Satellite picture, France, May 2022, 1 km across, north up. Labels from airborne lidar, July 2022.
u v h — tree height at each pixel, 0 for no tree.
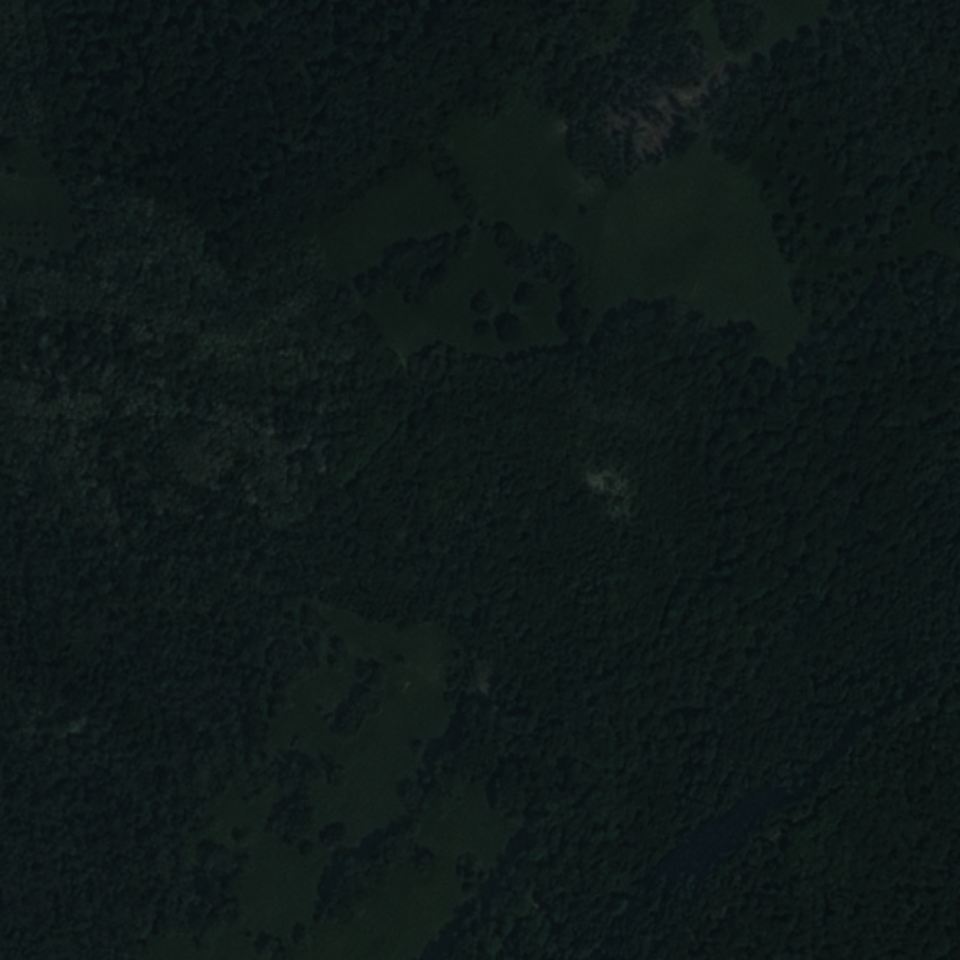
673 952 17
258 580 20
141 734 18
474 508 14
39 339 23
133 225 26
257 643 31
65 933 18
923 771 21
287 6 21
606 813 30
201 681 27
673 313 20
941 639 16
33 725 8
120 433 13
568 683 26
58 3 21
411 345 0
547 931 28
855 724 19
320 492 15
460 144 0
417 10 24
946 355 30
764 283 0
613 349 26
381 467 19
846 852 16
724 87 23
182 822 21
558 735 26
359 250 0
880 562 29
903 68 6
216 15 23
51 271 20
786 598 32
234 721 33
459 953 28
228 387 19
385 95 18
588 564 9
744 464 30
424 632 0
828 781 15
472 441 18
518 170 0
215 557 19
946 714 15
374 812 0
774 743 31
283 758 0
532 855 29
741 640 29
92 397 22
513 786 29
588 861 28
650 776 24
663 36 23
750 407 15
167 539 19
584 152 21
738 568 28
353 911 17
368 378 10
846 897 20
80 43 22
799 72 14
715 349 26
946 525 23
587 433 13
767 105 17
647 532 13
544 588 19
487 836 0
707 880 9
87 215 20
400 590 19
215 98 26
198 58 23
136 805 26
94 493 24
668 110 0
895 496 27
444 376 16
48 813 28
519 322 14
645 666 16
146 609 16
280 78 20
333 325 18
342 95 24
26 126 24
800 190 11
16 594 20
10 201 0
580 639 22
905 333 31
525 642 23
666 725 27
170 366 19
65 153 22
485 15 20
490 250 0
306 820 21
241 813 0
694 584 13
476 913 15
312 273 24
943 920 17
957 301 31
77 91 20
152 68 25
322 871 0
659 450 12
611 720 24
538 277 15
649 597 15
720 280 0
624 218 0
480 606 21
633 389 19
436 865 19
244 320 23
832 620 28
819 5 0
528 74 22
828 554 28
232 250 26
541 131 0
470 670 25
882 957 15
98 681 16
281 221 17
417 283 15
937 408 24
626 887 28
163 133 24
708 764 30
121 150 26
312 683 0
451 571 17
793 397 25
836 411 25
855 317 13
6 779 18
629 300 0
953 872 23
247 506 9
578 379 18
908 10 13
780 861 17
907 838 19
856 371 29
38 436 25
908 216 7
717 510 14
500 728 34
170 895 26
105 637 9
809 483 26
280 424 16
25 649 7
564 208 0
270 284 29
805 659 26
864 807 19
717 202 0
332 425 19
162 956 0
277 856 0
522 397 17
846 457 30
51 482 26
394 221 0
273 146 23
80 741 21
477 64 24
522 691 21
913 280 19
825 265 0
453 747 25
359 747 0
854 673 21
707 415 16
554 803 29
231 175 24
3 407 26
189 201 27
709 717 26
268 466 25
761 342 18
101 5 22
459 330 0
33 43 12
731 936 21
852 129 8
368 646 0
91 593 22
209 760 32
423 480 15
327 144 16
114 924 23
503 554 19
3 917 28
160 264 23
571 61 27
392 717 0
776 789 16
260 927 0
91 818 17
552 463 18
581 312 12
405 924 0
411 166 12
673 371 17
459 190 20
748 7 24
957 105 14
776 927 23
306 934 18
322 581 24
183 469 21
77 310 23
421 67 18
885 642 15
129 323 18
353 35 27
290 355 20
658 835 16
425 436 15
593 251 0
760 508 30
